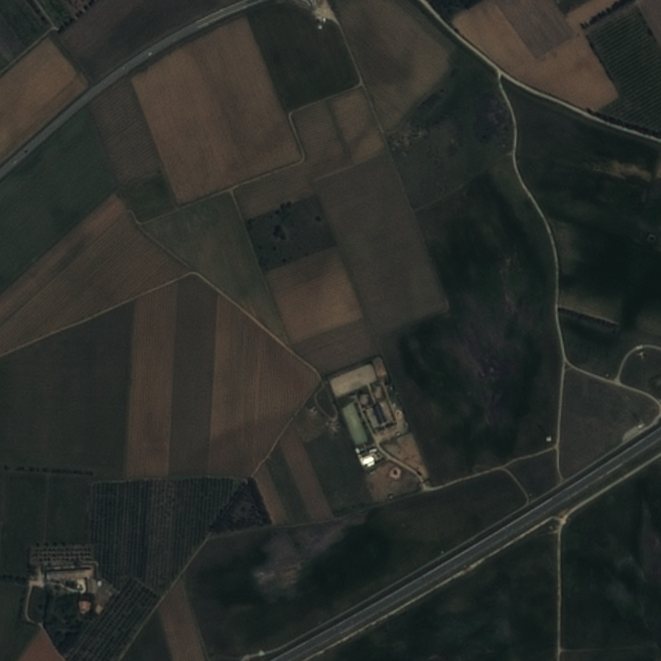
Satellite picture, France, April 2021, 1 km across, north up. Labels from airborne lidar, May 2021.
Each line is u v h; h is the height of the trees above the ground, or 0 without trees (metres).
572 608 0
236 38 0
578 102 0
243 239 0
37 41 0
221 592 0
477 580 0
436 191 0
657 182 0
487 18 0
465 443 0
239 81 0
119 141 0
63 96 0
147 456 0
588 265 0
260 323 0
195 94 0
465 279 0
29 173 0
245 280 0
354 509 0
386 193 0
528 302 0
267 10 0
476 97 0
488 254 0
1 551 0
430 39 0
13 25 6
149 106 0
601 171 0
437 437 0
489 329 0
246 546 0
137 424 0
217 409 0
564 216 0
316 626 0
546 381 0
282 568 0
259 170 0
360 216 0
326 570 0
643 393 0
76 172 0
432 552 0
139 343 0
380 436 0
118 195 0
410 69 0
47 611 11
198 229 0
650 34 8
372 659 0
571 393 0
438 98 0
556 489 0
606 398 0
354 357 0
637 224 0
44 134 0
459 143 0
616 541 0
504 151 0
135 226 0
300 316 0
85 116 0
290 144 0
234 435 0
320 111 0
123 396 0
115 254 0
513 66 0
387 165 0
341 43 0
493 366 0
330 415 0
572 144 0
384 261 0
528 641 0
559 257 0
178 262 0
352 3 0
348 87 0
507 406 0
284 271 0
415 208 0
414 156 0
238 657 0
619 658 0
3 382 0
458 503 0
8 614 0
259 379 0
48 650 0
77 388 0
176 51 0
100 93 0
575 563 0
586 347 0
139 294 0
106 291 0
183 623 0
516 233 0
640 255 0
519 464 0
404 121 0
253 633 0
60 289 0
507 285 0
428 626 0
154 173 0
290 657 0
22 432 0
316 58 0
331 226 0
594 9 0
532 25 0
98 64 0
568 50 0
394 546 0
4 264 0
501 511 0
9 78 0
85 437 0
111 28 0
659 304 0
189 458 0
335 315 0
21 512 0
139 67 0
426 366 0
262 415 0
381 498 0
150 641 0
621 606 0
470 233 0
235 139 0
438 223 0
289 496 0
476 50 0
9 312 0
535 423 0
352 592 0
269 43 0
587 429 0
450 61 0
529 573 0
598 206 0
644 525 0
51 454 0
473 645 0
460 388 0
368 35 0
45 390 0
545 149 0
